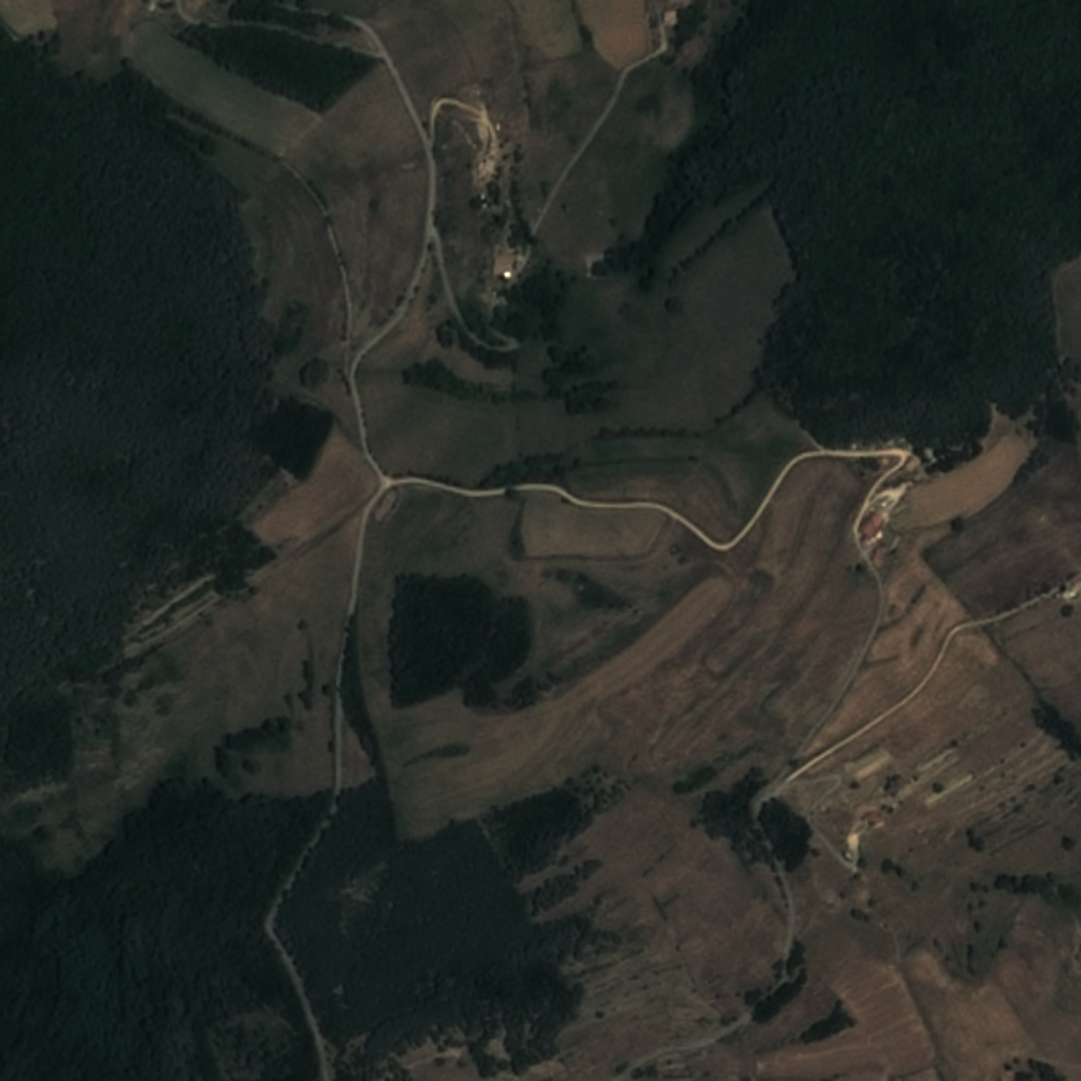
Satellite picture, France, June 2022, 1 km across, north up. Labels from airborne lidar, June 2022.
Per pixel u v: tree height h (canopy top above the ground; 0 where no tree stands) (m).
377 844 8
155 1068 7
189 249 19
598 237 0
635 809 0
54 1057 12
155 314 16
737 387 0
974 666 0
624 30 0
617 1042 0
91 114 18
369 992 10
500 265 0
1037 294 13
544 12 0
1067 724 6
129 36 0
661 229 11
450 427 0
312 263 0
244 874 14
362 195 0
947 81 17
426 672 9
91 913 12
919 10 16
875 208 14
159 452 15
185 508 13
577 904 0
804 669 0
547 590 0
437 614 9
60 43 13
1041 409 10
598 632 0
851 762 0
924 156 16
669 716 0
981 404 11
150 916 9
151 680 8
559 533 0
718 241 10
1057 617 0
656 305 0
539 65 0
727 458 0
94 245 19
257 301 16
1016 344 16
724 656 0
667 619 0
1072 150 10
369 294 0
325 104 15
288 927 7
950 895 0
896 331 14
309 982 7
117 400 20
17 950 20
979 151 14
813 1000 0
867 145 17
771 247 0
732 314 0
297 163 0
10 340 13
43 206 15
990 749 0
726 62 14
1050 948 0
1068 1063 0
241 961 10
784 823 11
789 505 0
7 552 16
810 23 14
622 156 0
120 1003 13
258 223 0
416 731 0
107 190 22
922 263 7
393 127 0
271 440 14
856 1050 0
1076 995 0
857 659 0
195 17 0
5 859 17
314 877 7
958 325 9
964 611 0
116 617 11
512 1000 13
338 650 0
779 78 11
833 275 13
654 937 0
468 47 0
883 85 15
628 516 0
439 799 0
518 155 8
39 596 11
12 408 9
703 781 7
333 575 0
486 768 0
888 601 0
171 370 23
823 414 6
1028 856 0
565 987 11
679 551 0
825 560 0
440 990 16
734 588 0
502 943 10
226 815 15
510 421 0
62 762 10
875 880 0
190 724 0
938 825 0
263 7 13
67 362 13
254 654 0
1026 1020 0
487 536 0
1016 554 0
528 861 8
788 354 5
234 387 19
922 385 6
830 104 16
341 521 0
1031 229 13
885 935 0
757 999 9
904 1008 0
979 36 16
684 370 0
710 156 13
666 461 0
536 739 0
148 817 24
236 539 7
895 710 0
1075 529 0
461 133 0
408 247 0
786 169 14
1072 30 13
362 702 8
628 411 0
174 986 13
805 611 0
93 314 16
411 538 0
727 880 0
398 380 0
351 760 0
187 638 0
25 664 16
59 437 12
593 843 0
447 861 9
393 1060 7
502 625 6
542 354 0
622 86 0
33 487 15
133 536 9
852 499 0
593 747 0
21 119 16
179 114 7
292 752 0
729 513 0
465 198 0
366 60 6
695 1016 0
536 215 0
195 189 19
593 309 0
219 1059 6
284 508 0
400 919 8
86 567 15
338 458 0
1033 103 15
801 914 0
